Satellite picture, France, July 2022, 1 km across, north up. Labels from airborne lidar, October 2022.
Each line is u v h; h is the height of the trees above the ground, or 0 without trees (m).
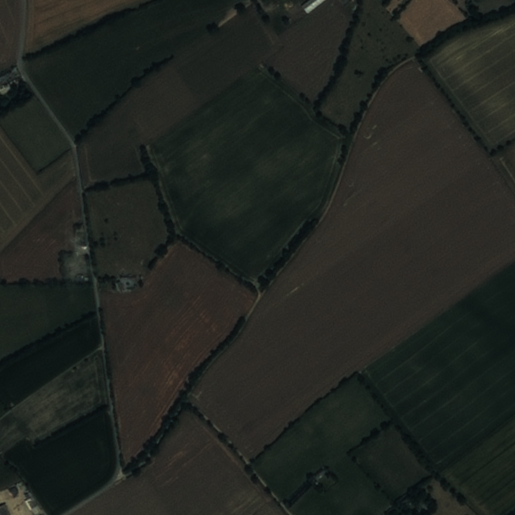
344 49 19
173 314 0
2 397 0
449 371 0
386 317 0
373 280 0
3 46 0
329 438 0
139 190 0
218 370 0
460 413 0
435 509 11
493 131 0
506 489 0
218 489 0
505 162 0
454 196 0
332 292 0
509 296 0
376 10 0
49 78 0
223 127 0
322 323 0
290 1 0
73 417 0
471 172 0
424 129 0
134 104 0
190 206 0
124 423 0
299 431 0
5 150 0
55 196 0
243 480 0
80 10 0
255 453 0
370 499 0
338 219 0
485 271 0
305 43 0
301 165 0
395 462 0
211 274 0
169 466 0
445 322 0
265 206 0
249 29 0
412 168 0
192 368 0
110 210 0
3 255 0
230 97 0
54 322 0
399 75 0
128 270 0
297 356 0
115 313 0
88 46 0
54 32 0
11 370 0
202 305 0
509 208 0
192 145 0
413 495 17
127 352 0
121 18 14
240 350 0
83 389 0
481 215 0
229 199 0
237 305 0
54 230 0
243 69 0
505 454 0
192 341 0
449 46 0
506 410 0
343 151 13
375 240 0
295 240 15
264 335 0
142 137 0
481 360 0
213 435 0
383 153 0
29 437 0
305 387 0
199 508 0
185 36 0
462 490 0
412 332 0
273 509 0
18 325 0
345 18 0
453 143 0
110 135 0
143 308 0
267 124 0
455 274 0
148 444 15
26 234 0
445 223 0
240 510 0
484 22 13
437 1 0
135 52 0
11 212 0
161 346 0
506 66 0
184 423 0
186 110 0
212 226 0
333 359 0
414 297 0
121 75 0
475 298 0
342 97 0
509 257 0
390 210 0
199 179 0
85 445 0
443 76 0
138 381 0
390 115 0
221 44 0
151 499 0
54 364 0
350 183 0
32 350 13
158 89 0
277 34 0
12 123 0
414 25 0
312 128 0
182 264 0
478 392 0
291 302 0
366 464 0
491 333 0
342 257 0
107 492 0
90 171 0
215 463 0
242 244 0
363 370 0
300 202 0
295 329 0
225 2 0
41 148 0
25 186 0
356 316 0
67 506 0
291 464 0
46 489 0
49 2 0
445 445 0
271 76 0
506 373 0
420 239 0
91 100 0
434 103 0
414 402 0
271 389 0
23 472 0
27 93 16
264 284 22
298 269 0
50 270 0
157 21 0
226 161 0
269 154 0
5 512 0
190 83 0
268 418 0
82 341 0
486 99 0
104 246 8
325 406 0
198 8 0
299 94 0
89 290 0
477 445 0
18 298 0
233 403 0
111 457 0
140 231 0
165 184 0
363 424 0
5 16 0
